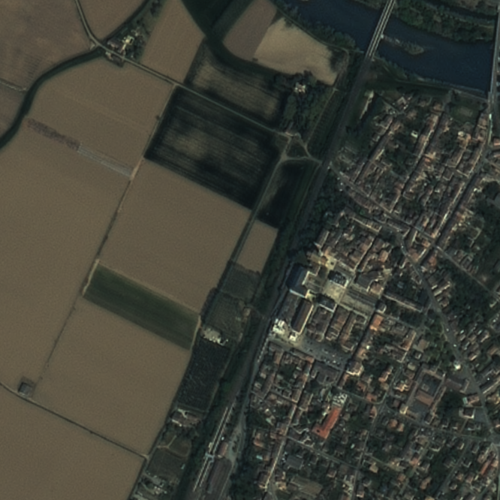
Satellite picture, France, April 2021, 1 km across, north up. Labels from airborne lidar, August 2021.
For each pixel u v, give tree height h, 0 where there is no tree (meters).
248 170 0
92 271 0
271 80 0
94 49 0
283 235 16
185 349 0
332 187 16
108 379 0
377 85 0
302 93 8
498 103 0
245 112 0
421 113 6
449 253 0
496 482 6
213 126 0
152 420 0
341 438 13
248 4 14
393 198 0
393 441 7
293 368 10
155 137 0
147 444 0
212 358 16
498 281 0
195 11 0
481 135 0
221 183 0
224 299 24
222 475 0
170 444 0
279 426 0
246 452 7
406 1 15
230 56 0
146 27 10
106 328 0
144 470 0
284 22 0
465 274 12
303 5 0
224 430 0
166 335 0
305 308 0
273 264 6
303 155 0
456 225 0
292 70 0
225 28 15
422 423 0
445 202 0
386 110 10
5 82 0
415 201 10
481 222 0
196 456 7
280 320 0
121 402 0
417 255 0
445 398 8
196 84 0
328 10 0
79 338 0
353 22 0
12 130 0
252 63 0
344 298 0
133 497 0
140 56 15
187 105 0
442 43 0
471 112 0
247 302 21
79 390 0
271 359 10
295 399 0
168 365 0
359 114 0
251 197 0
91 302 0
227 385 16
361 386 0
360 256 0
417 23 19
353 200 10
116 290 0
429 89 0
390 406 6
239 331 26
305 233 13
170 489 6
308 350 0
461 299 13
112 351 0
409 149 7
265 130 0
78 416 0
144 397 0
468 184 0
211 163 0
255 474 10
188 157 0
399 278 11
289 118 23
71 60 0
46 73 0
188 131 0
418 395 0
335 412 0
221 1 0
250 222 0
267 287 22
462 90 0
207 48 0
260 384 9
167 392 0
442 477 6
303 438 0
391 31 0
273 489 0
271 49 0
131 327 0
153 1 0
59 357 0
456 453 16
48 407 0
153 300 0
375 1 32
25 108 0
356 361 0
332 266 0
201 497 0
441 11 6
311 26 16
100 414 0
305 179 0
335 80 0
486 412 0
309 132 13
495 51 12
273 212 0
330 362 8
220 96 0
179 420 0
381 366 9
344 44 7
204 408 16
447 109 8
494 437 0
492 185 8
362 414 7
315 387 12
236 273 21
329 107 23
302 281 0
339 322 0
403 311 6
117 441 0
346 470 0
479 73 0
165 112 0
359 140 14
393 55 0
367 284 0
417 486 15
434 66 0
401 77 0
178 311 0
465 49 0
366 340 0
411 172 15
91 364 0
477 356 0
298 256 11
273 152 0
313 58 0
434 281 0
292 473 6
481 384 0
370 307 6
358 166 0
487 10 20
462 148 0
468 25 6
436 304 0
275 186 0
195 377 15
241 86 0
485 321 6
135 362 0
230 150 0
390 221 0
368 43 0
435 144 0
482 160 0
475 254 10
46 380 0
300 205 0
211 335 0
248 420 7
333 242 0
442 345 12
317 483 10
